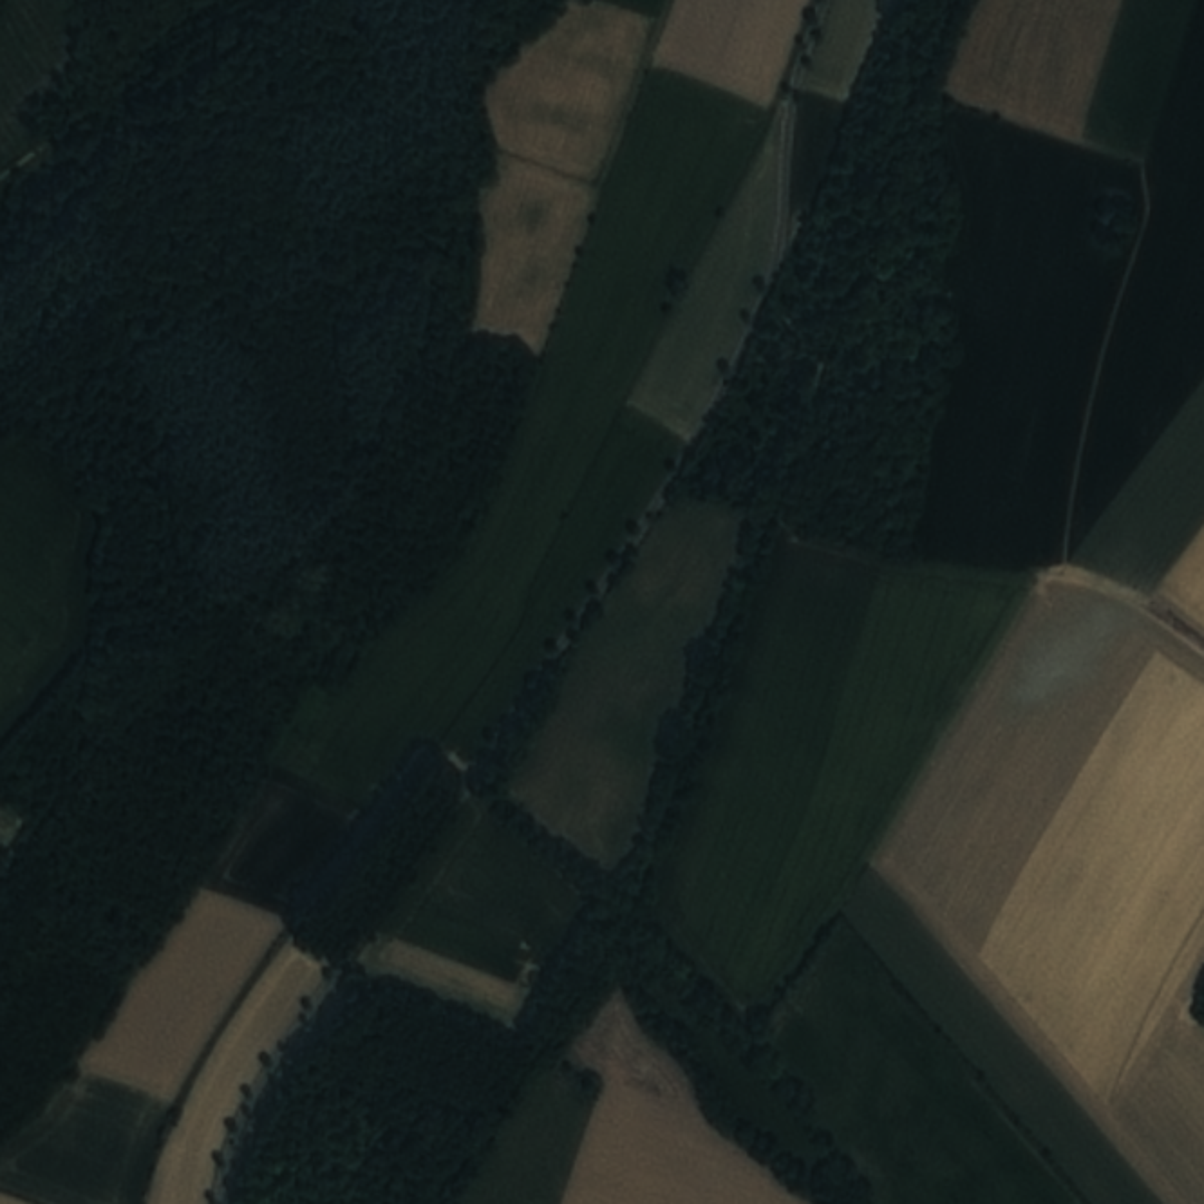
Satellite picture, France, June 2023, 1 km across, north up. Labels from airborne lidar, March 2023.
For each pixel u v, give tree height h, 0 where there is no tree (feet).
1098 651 0
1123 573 0
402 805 106
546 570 0
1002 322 0
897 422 55
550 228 0
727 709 0
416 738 0
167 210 84
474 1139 82
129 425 52
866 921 0
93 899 60
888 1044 0
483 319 0
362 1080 62
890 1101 0
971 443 0
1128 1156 0
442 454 63
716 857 0
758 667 0
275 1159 68
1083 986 0
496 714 0
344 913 67
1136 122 0
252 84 83
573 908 0
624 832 0
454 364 75
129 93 25
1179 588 0
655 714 0
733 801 0
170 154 82
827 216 34
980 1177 0
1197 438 0
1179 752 0
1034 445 0
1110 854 0
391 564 62
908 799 0
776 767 0
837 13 0
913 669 0
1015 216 0
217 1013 0
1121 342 0
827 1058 0
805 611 0
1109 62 0
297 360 60
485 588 0
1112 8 0
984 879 0
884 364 67
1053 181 0
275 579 57
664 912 0
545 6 93
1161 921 0
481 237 47
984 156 0
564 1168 0
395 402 92
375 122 115
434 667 0
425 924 0
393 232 33
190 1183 0
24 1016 54
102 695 82
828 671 0
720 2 0
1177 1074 0
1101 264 0
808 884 0
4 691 0
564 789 0
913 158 82
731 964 0
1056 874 0
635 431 0
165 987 0
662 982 52
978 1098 0
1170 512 0
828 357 76
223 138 105
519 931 0
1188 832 0
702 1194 0
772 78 0
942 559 0
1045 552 0
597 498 0
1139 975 0
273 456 60
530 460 0
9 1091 57
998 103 0
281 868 0
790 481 76
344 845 0
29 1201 0
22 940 52
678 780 31
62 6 93
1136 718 0
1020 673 0
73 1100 0
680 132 0
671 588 0
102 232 95
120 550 66
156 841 36
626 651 0
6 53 0
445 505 60
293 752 0
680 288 73
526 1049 28
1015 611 0
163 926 31
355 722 0
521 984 0
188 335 100
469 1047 53
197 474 98
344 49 91
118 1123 0
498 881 0
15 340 68
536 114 0
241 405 112
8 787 30
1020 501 0
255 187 92
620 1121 0
